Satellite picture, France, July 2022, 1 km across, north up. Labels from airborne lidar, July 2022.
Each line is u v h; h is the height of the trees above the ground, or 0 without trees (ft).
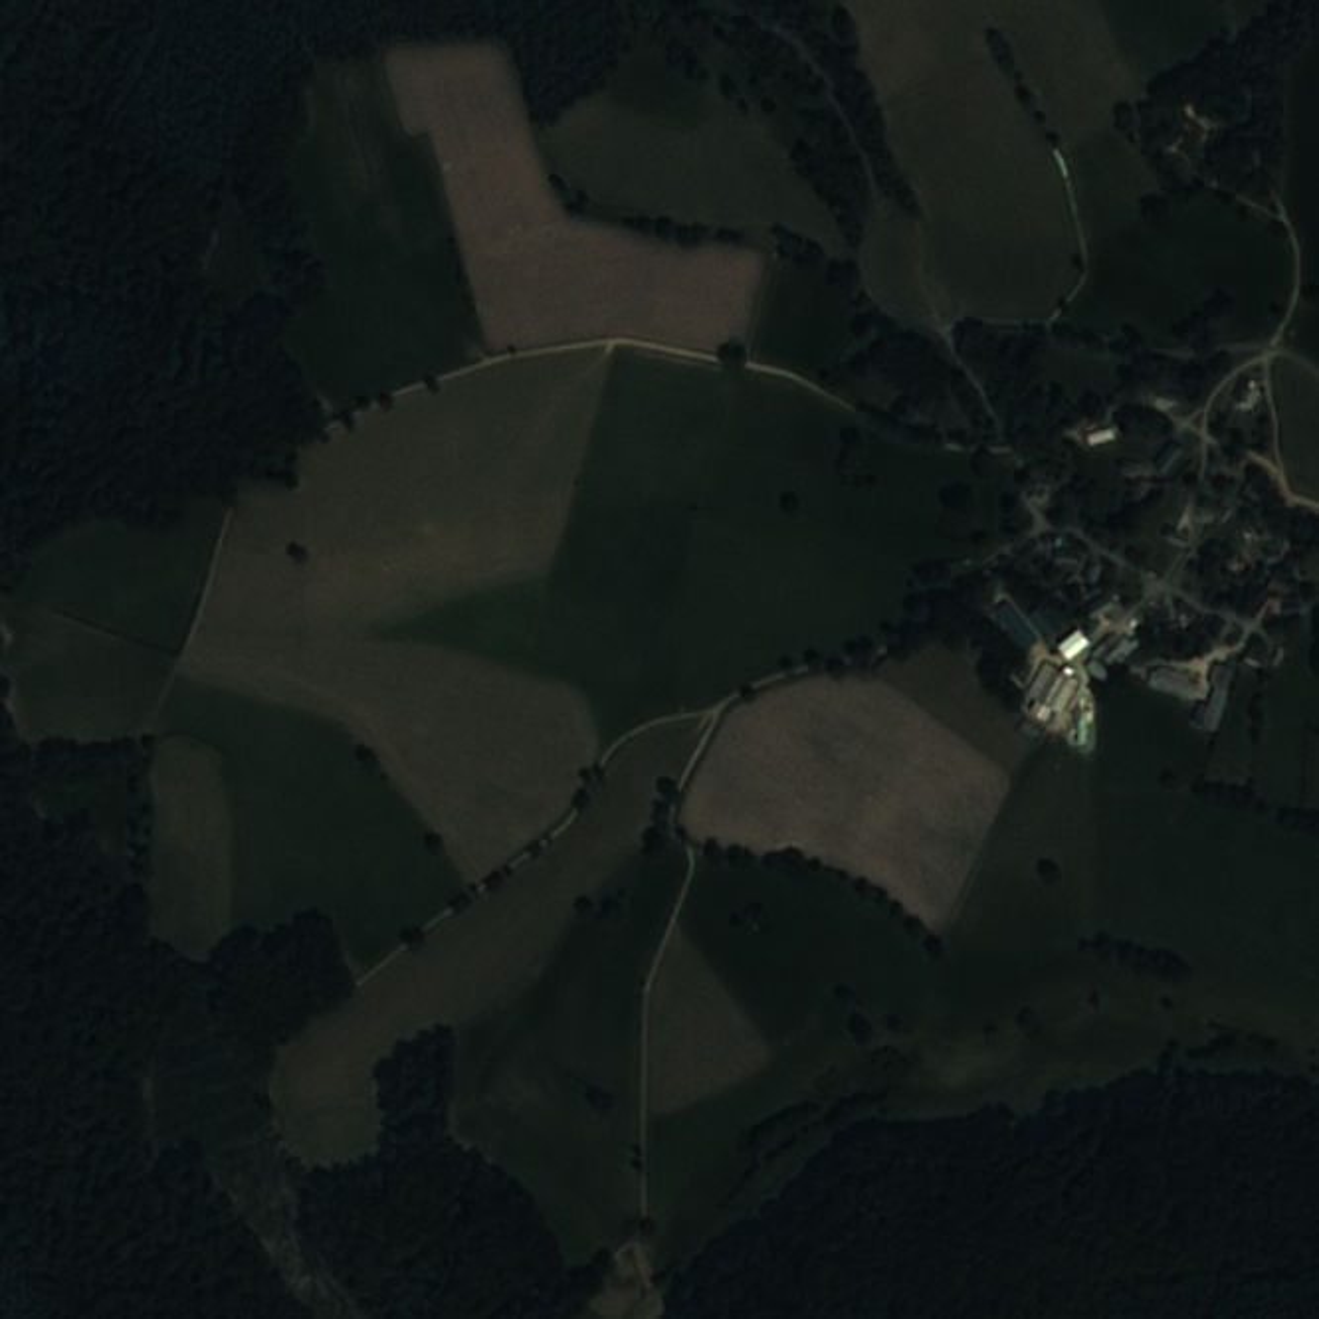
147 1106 51
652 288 0
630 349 0
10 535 49
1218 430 51
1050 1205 86
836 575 0
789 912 0
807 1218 73
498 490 0
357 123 0
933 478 0
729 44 38
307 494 0
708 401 0
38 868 86
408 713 0
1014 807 0
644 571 0
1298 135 0
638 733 0
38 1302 87
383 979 0
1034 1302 60
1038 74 0
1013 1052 0
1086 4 0
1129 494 19
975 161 0
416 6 79
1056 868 37
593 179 0
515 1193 79
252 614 0
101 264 40
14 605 0
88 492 56
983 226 0
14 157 44
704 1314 73
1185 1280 66
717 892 0
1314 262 0
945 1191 77
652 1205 0
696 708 0
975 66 0
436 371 0
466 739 0
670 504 0
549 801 0
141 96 73
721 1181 0
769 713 0
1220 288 0
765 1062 0
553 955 0
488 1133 0
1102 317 0
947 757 0
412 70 0
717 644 0
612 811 0
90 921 83
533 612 0
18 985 63
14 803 77
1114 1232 80
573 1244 0
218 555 0
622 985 0
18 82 68
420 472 0
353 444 0
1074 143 0
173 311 96
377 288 0
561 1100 0
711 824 0
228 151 53
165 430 57
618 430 0
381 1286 52
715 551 0
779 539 0
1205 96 56
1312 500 0
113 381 92
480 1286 69
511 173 0
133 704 0
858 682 0
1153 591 0
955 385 45
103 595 0
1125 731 0
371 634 0
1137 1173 87
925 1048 0
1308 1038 0
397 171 0
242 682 0
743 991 0
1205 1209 67
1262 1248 44
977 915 0
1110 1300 65
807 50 45
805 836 0
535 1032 0
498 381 0
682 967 0
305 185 0
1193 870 0
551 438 0
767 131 0
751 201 0
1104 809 0
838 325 0
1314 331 0
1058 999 0
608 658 0
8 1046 73
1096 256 0
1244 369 0
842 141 64
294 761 0
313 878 0
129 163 64
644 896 0
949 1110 0
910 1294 58
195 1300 66
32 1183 75
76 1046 72
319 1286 0
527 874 0
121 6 62
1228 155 58
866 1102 40
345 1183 76
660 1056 0
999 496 0
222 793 0
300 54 73
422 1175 94
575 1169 0
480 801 0
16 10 52
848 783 0
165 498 82
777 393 0
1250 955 0
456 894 0
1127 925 0
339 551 0
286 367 82
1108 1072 0
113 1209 67
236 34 62
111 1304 61
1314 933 0
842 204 56
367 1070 0
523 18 59
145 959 89
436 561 0
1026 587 41
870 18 0
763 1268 77
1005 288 0
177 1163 74
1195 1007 0
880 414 54
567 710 0
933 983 0
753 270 0
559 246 0
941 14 0
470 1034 0
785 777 0
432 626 0
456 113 0
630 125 0
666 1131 0
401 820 0
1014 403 66
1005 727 0
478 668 0
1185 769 0
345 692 0
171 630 0
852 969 0
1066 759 0
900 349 50
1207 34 0
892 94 0
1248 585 40
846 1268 72
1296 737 0
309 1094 0
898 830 0
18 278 41
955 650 47
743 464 0
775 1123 41
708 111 0
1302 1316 77
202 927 0
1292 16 36
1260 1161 66
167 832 0
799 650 0
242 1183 0
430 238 0
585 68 70
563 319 0
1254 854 0
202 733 0
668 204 0
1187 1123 92
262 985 79
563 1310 78
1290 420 0
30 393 93
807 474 0
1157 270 0
